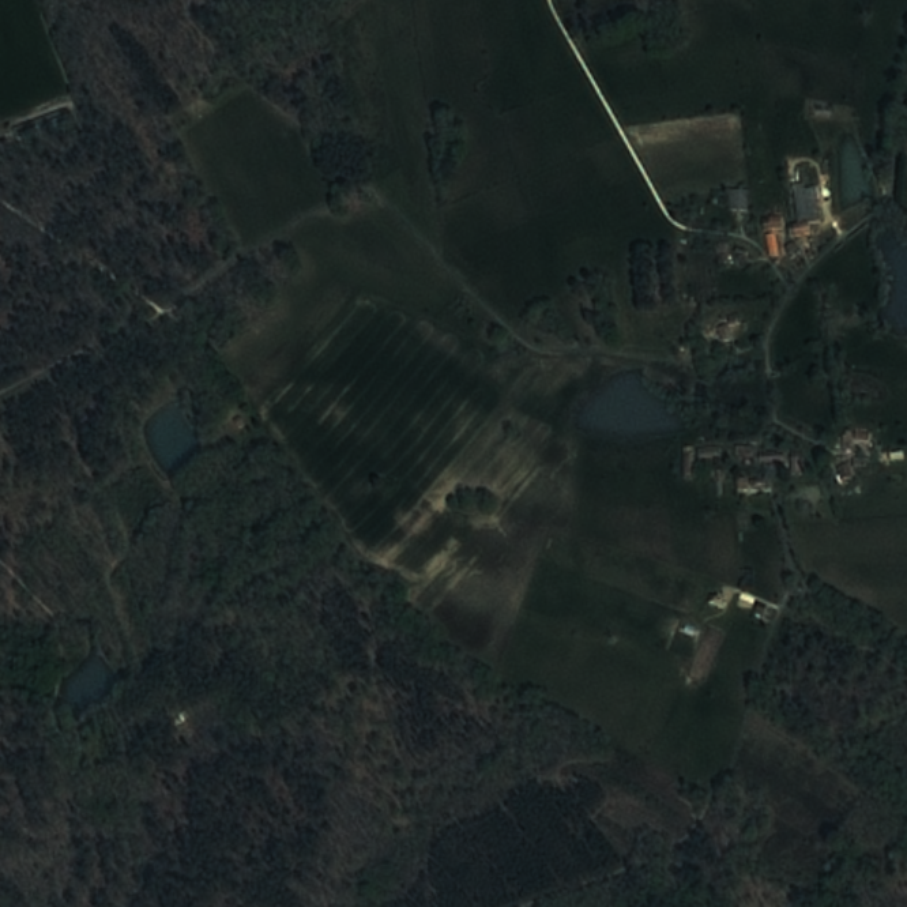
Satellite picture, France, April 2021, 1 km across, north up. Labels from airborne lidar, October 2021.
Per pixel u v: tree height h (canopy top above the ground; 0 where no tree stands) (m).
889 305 0
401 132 0
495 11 0
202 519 29
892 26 0
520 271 0
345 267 0
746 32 0
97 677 0
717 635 0
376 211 0
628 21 24
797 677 17
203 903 25
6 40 0
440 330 0
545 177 0
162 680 22
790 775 0
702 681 0
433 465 0
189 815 18
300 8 20
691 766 0
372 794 17
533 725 19
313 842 24
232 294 12
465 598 0
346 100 20
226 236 18
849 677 18
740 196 0
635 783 6
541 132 0
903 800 22
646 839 14
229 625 15
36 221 12
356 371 0
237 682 22
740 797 19
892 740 8
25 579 17
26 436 17
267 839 17
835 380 14
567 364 0
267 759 22
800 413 0
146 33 18
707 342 13
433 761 11
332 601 17
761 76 0
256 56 21
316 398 0
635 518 0
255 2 22
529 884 19
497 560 0
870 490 0
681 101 0
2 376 18
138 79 8
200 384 23
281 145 0
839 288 0
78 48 13
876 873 18
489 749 11
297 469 0
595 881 8
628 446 0
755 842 9
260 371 0
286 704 20
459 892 16
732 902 21
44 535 20
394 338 0
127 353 26
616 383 0
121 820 28
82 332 22
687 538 0
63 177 23
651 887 20
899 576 0
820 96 0
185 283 17
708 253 10
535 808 18
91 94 14
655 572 0
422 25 0
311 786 16
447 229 0
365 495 0
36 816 23
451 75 0
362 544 0
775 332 0
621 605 0
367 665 19
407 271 0
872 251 0
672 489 0
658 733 0
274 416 0
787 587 15
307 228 0
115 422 22
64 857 12
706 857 19
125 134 26
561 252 0
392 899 11
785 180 9
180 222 25
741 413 7
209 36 12
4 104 0
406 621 18
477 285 0
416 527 0
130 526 6
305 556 24
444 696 18
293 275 19
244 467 21
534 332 0
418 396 0
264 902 25
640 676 0
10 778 20
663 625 0
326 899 18
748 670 0
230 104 0
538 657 0
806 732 14
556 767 13
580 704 0
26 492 11
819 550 0
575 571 0
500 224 0
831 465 20
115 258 21
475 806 13
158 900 27
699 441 0
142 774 21
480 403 0
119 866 18
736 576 0
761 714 15
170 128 8
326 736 11
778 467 12
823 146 0
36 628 11
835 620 18
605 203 0
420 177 0
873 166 14
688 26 17
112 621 17
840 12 0
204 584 22
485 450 0
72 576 16
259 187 0
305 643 20
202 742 15
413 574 0
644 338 0
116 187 25
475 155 0
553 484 0
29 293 20
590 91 0
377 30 0
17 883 19
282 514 21
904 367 0
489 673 16
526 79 0
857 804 15
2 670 14
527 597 0
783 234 0
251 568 22
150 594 18
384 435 0
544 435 0
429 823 6
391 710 9
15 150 14
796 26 0
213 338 21
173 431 0
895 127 23
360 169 21
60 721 22
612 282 12
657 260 8
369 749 11
